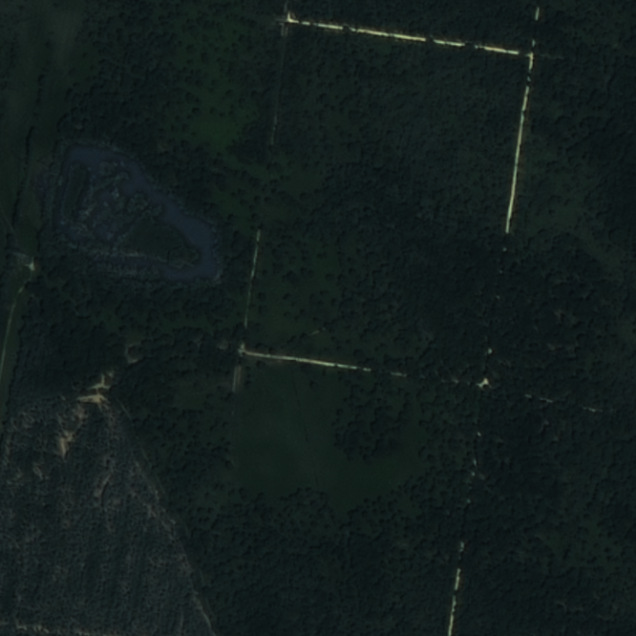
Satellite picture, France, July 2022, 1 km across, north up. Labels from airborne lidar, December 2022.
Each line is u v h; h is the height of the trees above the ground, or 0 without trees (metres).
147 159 18
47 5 0
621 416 16
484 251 22
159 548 18
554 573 20
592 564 15
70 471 19
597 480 18
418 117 13
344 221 11
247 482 0
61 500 19
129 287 14
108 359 19
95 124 17
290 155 9
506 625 21
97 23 11
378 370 14
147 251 6
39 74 0
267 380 0
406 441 0
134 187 0
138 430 13
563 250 19
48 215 15
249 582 21
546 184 12
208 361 20
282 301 0
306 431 0
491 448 23
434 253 21
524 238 13
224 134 0
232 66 7
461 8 16
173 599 11
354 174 16
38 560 18
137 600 12
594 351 16
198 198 20
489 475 22
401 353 0
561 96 16
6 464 19
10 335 0
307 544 17
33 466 18
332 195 17
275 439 0
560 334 22
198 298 15
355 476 0
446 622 13
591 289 25
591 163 11
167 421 17
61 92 0
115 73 16
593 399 13
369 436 8
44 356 16
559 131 17
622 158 16
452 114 7
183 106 11
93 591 14
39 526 19
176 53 14
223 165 21
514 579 28
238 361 20
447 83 16
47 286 15
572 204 10
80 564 18
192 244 0
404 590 8
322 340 0
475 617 16
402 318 18
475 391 16
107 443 17
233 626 14
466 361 21
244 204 14
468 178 9
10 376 0
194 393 0
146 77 16
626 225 17
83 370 22
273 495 0
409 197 21
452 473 13
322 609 22
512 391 21
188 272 0
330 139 14
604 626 15
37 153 0
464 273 21
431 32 13
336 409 0
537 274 24
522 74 9
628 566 16
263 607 17
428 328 20
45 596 17
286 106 9
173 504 10
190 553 15
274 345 0
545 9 16
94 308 27
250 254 9
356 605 8
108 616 13
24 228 0
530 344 23
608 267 12
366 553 24
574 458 18
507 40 12
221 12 14
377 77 11
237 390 0
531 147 10
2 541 17
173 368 19
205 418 16
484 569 15
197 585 11
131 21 15
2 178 0
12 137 0
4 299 16
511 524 26
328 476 0
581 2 13
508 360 24
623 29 11
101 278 18
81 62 0
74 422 15
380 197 22
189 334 14
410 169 11
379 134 13
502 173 10
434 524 18
